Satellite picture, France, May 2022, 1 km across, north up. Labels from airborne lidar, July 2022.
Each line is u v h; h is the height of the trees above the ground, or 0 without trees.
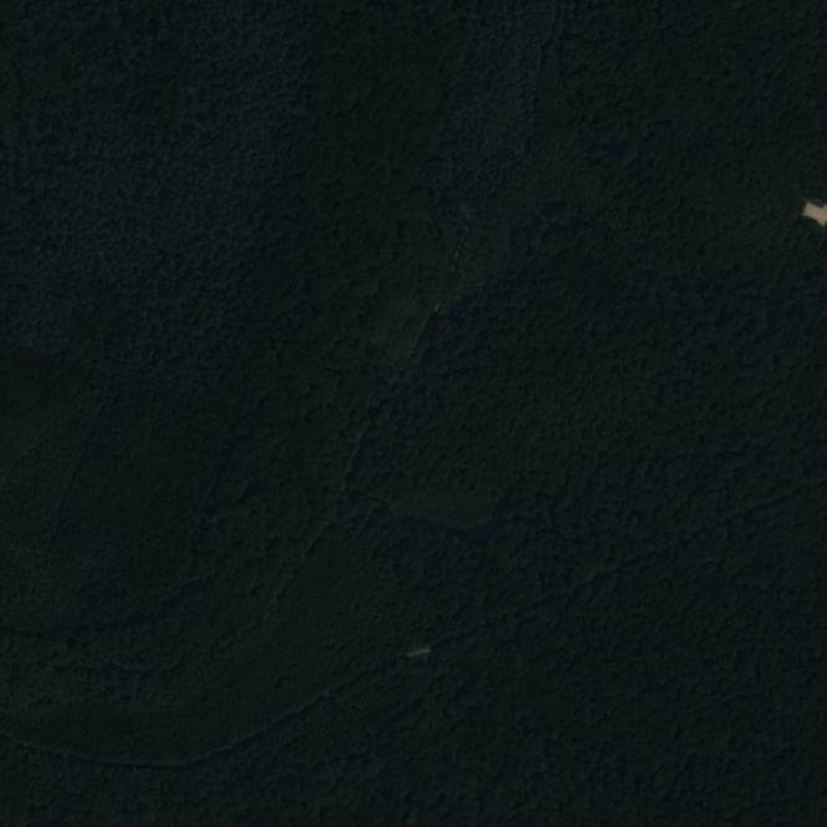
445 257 20
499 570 31
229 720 14
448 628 18
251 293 26
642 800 27
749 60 31
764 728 30
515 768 31
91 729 13
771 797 27
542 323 33
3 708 20
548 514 12
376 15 29
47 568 12
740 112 31
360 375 26
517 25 21
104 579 11
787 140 27
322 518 24
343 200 28
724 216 23
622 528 28
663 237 17
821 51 30
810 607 27
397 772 32
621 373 24
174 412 13
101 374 9
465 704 31
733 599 30
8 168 28
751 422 27
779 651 30
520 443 22
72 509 10
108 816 27
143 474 10
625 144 33
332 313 30
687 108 35
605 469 29
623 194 32
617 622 26
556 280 32
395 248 29
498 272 14
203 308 16
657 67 27
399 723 29
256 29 24
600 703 32
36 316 26
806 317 31
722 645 25
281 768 28
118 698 8
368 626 16
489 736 31
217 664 20
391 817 34
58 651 23
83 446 9
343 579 17
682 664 29
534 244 32
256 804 32
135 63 25
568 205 20
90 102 26
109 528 9
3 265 25
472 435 26
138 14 29
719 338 30
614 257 33
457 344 34
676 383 30
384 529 31
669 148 27
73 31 26
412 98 27
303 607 17
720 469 29
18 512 8
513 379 28
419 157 36
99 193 25
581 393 26
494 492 27
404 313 22
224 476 24
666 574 31
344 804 29
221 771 20
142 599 11
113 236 28
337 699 17
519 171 20
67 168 27
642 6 27
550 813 28
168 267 20
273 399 28
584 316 29
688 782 27
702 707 26
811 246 25
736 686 27
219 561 28
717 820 27
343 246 24
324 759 16
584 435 21
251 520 23
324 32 28
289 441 26
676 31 23
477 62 27
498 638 26
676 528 24
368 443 21
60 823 29
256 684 14
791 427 26
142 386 15
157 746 13
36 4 22
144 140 25
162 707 21
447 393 29
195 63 22
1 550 7
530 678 27
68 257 29
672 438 27
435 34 30
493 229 17
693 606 28
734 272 28
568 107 13
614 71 27
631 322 30
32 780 20
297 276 31
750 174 21
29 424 16
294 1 25
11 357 9
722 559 28
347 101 30
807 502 31
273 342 27
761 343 33
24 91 21
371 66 33
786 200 21
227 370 29
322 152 28
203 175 29
